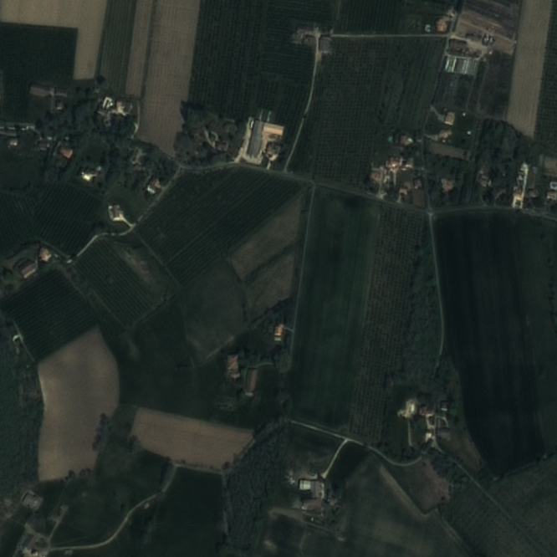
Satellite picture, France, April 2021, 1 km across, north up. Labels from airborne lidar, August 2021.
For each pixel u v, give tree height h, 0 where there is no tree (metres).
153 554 0
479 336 0
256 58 5
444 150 0
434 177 12
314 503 0
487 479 7
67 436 0
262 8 5
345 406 0
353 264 0
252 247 0
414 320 11
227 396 0
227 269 0
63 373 0
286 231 0
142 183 12
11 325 6
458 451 0
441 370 8
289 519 0
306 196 0
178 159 12
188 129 13
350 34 0
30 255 0
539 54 0
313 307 0
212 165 19
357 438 0
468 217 0
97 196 10
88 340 0
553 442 0
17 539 0
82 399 0
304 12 6
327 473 0
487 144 16
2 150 0
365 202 0
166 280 0
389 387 14
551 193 0
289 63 6
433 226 0
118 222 0
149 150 11
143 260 0
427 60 6
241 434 0
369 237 0
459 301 0
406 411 0
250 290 0
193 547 0
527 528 7
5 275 13
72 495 0
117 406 0
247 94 6
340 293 0
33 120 0
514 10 0
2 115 9
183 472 0
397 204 0
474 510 6
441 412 7
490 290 0
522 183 9
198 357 0
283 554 0
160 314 0
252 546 8
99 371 0
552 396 0
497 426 0
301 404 0
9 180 0
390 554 0
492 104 0
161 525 0
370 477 0
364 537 0
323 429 0
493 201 26
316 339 0
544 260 0
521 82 0
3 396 14
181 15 0
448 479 9
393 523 0
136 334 0
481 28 0
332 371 0
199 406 0
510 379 0
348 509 0
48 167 15
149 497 0
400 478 0
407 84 7
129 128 17
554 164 0
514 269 0
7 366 13
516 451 0
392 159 0
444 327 0
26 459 15
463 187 5
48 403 0
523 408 0
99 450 20
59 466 0
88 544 0
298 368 0
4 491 9
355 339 0
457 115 0
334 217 0
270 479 22
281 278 0
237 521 19
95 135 18
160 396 0
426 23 0
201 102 5
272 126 0
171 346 0
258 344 0
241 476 15
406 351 13
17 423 14
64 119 14
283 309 15
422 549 0
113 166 12
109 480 0
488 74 0
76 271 16
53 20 0
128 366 0
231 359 0
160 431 0
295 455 0
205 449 0
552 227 0
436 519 0
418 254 13
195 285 0
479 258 0
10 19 0
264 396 0
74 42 0
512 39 0
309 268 0
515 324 0
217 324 0
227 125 9
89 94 13
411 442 0
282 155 9
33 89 0
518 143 25
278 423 22
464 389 0
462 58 0
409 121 10
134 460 0
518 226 0
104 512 0
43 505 0
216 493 0
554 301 10
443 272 0
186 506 0
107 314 0
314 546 0
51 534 0
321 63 0
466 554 0
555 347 0
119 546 0
